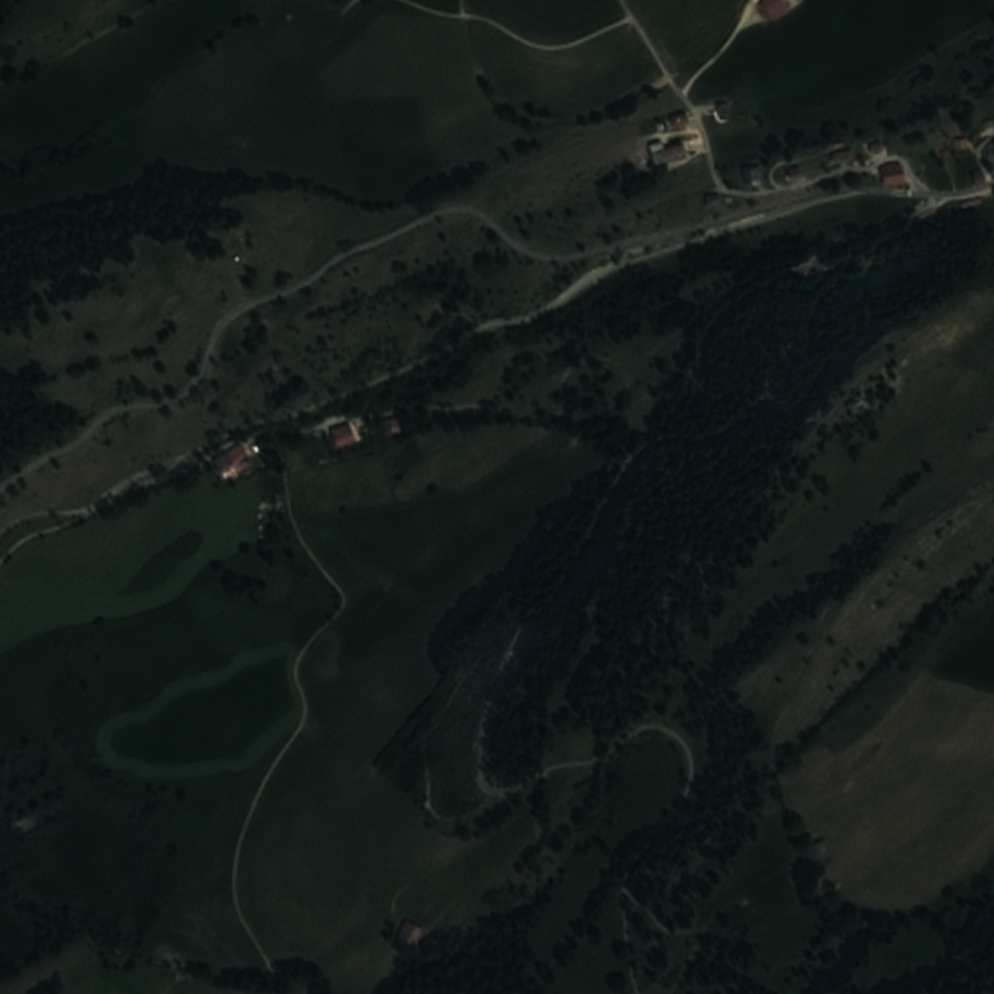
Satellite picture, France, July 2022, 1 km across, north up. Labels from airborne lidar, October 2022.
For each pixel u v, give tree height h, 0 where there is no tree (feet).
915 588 0
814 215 0
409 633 0
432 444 0
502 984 80
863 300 49
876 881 0
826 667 0
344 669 0
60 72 0
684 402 34
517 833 0
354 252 0
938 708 0
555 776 0
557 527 93
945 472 0
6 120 0
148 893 0
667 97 0
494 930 69
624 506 69
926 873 0
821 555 0
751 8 0
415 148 0
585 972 0
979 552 0
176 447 0
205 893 0
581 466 0
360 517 0
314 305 0
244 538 0
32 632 0
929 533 0
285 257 0
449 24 0
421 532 0
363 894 0
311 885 0
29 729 0
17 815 26
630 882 23
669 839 64
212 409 27
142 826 20
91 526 0
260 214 0
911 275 46
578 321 42
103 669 0
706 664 0
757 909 0
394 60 0
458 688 0
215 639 0
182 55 0
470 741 0
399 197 0
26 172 47
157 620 0
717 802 75
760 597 0
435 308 0
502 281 0
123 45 0
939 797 0
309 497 0
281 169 0
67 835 0
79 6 0
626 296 23
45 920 46
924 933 0
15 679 0
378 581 0
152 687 0
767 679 0
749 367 59
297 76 0
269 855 0
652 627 54
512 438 0
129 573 0
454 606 0
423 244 0
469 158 0
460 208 0
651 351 0
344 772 0
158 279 0
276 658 0
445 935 43
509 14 0
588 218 0
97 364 35
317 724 0
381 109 0
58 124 0
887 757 0
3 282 67
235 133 0
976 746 0
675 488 98
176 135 0
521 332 43
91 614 0
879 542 51
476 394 0
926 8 0
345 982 0
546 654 49
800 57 0
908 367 0
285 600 0
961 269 20
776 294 52
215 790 0
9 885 26
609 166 0
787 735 0
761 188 0
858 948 86
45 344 0
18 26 0
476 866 0
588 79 0
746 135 0
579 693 67
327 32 0
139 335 0
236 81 0
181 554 0
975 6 0
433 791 0
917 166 0
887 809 0
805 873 79
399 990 78
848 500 0
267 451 64
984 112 0
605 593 55
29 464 0
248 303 0
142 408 0
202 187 77
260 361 0
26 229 44
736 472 93
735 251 19
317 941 0
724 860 76
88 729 0
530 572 99
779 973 0
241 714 0
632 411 0
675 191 0
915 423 0
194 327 0
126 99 0
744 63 0
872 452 0
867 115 0
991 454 0
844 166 0
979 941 90
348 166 0
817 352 81
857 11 0
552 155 0
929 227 50
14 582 0
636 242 0
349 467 0
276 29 0
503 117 42
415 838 0
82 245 68
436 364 43
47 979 0
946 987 66
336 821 0
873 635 0
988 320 0
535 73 0
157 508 0
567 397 33
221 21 0
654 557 75
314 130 0
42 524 0
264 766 0
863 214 0
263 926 0
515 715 62
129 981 0
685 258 45
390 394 20
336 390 26
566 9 0
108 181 0
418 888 0
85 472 0
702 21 0
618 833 0
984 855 0
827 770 0
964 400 0
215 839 0
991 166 45
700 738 27
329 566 0
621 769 21
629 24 0
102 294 0
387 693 0
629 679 20
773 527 46
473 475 0
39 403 32
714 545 43
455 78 0
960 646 0
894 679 0
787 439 29
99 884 0
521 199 0
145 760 0
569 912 0
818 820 0
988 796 0
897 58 0
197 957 0
